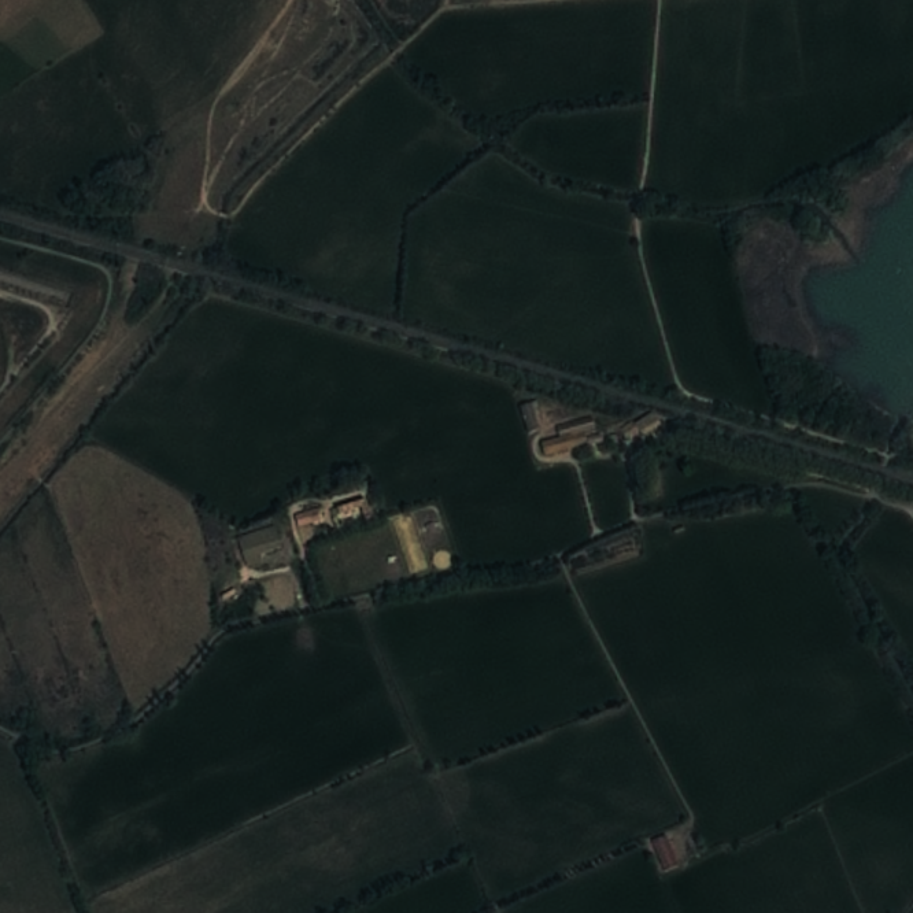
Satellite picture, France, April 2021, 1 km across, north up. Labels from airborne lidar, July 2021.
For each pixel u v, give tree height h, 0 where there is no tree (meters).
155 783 0
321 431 0
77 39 0
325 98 0
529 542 0
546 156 0
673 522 12
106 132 0
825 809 0
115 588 0
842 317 0
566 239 0
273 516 11
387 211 0
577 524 0
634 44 0
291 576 0
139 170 15
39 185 0
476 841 0
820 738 0
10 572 0
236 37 0
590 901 0
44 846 0
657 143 0
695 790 0
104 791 0
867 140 0
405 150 0
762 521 0
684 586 0
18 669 0
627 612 0
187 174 0
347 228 0
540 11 0
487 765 0
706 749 0
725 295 0
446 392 0
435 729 0
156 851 0
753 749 0
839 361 0
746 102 0
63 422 0
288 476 0
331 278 0
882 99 0
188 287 13
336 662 0
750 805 0
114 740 12
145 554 0
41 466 0
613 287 0
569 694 0
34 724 9
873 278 0
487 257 0
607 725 0
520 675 0
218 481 0
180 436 0
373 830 0
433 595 16
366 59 0
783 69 0
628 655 0
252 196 0
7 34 0
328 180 0
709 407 7
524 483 0
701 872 0
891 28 0
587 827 0
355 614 0
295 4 0
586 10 0
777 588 0
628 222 0
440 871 15
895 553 0
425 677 0
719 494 14
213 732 0
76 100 0
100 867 0
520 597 0
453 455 0
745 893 0
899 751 0
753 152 0
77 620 0
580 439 0
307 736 0
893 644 13
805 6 0
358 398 0
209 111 0
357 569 0
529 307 0
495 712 0
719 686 0
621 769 0
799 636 0
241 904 0
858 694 0
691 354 0
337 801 0
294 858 0
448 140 0
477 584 18
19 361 0
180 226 0
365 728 0
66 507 0
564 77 0
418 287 0
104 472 0
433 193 6
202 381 0
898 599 0
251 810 0
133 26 0
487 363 18
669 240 0
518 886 0
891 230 0
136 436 0
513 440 0
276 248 0
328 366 0
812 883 0
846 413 10
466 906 0
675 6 0
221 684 0
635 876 0
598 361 0
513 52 0
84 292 0
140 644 0
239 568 7
